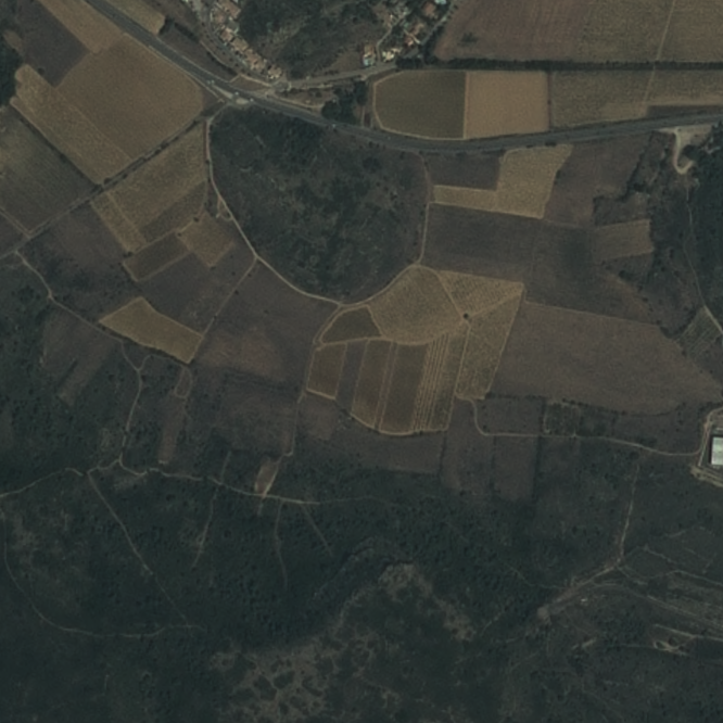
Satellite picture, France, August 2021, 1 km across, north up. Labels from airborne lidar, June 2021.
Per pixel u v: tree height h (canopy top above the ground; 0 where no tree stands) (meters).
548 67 6
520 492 0
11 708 0
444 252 0
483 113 0
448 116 0
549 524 0
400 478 0
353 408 0
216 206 0
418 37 6
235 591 9
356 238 0
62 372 0
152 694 8
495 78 0
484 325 0
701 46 0
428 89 0
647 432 0
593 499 6
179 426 0
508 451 0
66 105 0
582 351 0
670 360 0
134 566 0
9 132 0
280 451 0
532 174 0
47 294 0
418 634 0
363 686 0
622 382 0
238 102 0
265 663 0
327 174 0
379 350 0
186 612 0
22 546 0
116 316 0
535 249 0
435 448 0
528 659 0
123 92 0
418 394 0
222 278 0
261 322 0
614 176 0
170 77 0
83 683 0
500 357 0
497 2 0
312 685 0
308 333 0
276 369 0
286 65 0
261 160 0
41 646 0
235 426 0
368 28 0
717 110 0
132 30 0
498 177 0
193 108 0
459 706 0
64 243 0
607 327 0
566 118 0
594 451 0
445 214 0
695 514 0
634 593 0
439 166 0
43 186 0
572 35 0
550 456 0
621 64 5
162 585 0
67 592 0
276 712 0
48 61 0
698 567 0
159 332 0
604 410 5
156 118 0
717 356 0
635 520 0
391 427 0
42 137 0
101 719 0
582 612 0
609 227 0
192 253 0
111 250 0
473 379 0
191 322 0
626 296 0
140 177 0
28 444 0
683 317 0
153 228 0
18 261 0
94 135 0
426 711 0
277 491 0
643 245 0
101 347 0
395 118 0
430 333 0
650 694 0
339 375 0
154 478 0
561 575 0
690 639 0
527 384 0
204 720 0
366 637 0
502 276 0
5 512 0
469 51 0
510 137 0
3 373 0
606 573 0
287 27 0
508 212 0
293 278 0
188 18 0
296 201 0
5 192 0
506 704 0
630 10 0
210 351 0
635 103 0
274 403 0
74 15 0
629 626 7
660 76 0
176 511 0
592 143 0
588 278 0
